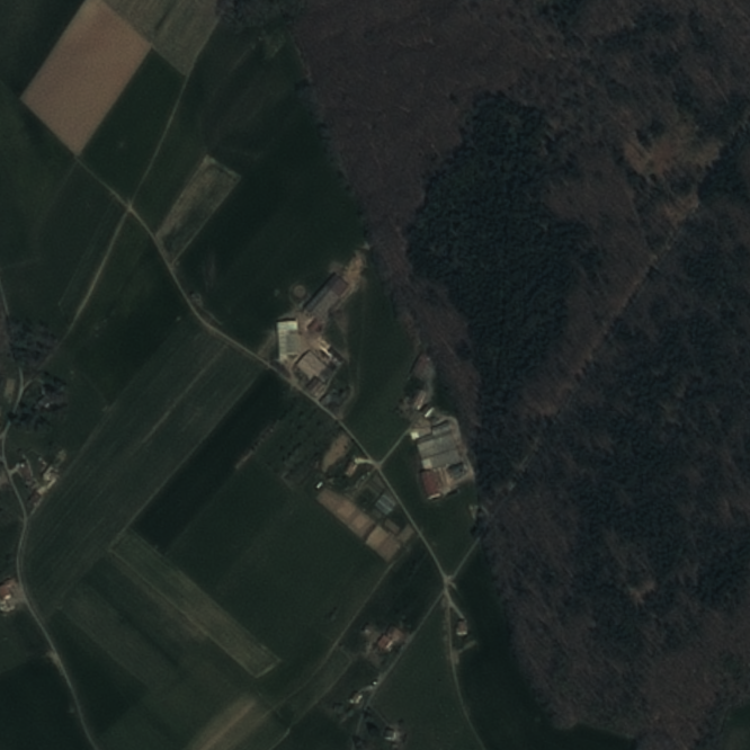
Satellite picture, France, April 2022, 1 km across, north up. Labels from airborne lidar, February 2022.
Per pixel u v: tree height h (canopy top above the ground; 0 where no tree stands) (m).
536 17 20
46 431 19
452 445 0
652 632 22
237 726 0
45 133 0
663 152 0
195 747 0
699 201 0
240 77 0
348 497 0
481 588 0
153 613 0
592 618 24
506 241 15
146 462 0
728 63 25
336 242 0
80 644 0
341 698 0
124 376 0
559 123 26
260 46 0
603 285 19
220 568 0
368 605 0
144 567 0
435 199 22
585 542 21
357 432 0
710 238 27
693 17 22
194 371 0
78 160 0
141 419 0
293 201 0
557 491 22
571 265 25
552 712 17
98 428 0
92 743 0
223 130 0
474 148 17
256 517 0
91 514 0
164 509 0
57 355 15
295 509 0
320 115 27
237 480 0
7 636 0
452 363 22
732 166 26
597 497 27
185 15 0
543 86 12
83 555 0
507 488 19
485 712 0
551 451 17
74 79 0
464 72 11
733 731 0
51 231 0
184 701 0
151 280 0
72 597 0
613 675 18
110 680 0
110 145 0
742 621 16
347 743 0
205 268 0
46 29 0
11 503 0
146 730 0
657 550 24
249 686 0
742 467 25
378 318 0
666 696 18
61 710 0
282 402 0
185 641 0
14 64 0
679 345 24
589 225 20
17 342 22
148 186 0
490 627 0
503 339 10
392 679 0
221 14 15
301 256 0
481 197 13
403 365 0
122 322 0
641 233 20
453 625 0
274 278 0
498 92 12
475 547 0
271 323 0
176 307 0
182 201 0
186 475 0
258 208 0
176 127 0
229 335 0
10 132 0
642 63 22
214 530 0
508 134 17
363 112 10
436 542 0
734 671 16
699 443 20
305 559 0
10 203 0
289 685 0
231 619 0
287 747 0
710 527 21
